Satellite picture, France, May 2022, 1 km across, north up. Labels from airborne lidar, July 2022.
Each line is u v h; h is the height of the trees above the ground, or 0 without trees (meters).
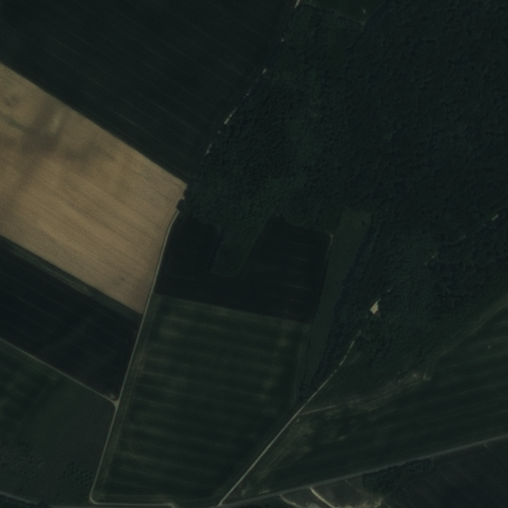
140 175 0
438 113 27
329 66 14
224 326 0
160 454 0
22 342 0
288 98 20
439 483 0
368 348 16
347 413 0
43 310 0
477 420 0
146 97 0
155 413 0
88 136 0
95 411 0
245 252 16
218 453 0
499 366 0
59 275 0
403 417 0
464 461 0
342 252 0
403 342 19
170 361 0
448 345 0
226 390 0
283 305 0
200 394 0
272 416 0
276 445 0
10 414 0
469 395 0
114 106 0
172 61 0
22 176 0
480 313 12
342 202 18
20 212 0
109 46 0
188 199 15
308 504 0
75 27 0
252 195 23
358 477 0
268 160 19
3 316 0
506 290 11
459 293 27
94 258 0
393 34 27
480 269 30
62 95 0
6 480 0
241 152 19
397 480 14
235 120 7
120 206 0
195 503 0
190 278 0
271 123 21
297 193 29
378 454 0
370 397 0
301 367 0
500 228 26
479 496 0
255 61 0
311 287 0
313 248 0
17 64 0
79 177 0
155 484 0
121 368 0
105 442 0
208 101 0
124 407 0
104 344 0
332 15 18
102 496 0
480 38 27
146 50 0
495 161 30
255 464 0
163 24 0
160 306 0
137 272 0
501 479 0
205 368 0
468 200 27
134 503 0
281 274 0
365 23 0
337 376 0
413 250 29
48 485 0
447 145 24
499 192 32
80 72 0
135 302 0
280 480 0
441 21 26
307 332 0
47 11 0
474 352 0
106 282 0
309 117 26
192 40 0
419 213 23
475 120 29
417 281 27
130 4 0
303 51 13
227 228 17
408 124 27
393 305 23
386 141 22
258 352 0
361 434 0
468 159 30
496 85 30
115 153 0
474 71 28
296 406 0
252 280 0
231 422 0
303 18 22
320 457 0
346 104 22
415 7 29
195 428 0
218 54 0
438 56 30
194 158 0
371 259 22
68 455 0
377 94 25
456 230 26
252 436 0
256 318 0
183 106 0
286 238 0
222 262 19
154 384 0
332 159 22
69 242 0
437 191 29
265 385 0
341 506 0
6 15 0
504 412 0
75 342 0
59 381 0
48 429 0
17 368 0
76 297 0
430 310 24
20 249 0
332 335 7
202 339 0
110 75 0
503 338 0
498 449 0
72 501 0
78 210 0
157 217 0
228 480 0
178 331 0
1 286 0
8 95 0
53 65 0
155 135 0
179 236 0
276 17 0
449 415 0
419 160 31
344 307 20
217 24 0
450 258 29
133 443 0
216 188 26
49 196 0
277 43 0
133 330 0
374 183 31
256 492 0
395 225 25
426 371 0
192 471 0
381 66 29
